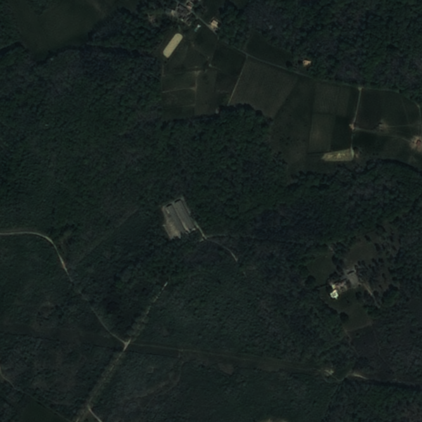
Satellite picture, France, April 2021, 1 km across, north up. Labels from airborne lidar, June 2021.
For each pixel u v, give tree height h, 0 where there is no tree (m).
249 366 0
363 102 0
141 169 19
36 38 0
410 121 0
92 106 17
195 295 7
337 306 0
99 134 15
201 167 22
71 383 0
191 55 0
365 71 18
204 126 24
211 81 0
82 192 18
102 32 26
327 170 0
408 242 18
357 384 7
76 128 15
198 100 0
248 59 0
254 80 0
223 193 24
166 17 6
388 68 16
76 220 17
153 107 13
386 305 19
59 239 15
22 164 9
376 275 21
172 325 6
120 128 16
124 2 0
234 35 22
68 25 0
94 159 18
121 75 25
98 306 17
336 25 8
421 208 17
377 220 16
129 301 7
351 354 17
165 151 17
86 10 0
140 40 24
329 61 18
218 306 9
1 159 12
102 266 9
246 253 7
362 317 0
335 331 17
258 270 15
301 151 0
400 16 26
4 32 17
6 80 20
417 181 18
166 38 0
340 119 0
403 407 20
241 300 6
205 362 0
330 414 7
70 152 18
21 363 18
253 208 17
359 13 8
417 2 17
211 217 20
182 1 8
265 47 0
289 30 21
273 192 21
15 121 21
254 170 25
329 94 0
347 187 18
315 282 11
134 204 14
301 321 24
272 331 13
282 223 19
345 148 0
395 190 9
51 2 8
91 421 0
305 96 0
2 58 28
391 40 17
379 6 17
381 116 0
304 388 16
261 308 14
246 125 24
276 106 0
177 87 0
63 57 13
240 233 17
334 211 21
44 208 10
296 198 22
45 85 19
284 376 6
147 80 12
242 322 7
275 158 9
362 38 21
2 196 8
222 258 8
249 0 11
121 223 12
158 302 11
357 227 15
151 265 16
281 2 19
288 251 19
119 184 18
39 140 20
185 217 0
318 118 0
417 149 0
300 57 15
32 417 0
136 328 20
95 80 23
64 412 7
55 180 6
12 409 8
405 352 9
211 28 0
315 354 7
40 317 9
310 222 21
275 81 0
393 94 0
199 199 22
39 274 6
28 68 23
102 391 11
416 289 22
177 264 14
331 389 6
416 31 22
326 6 22
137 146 18
